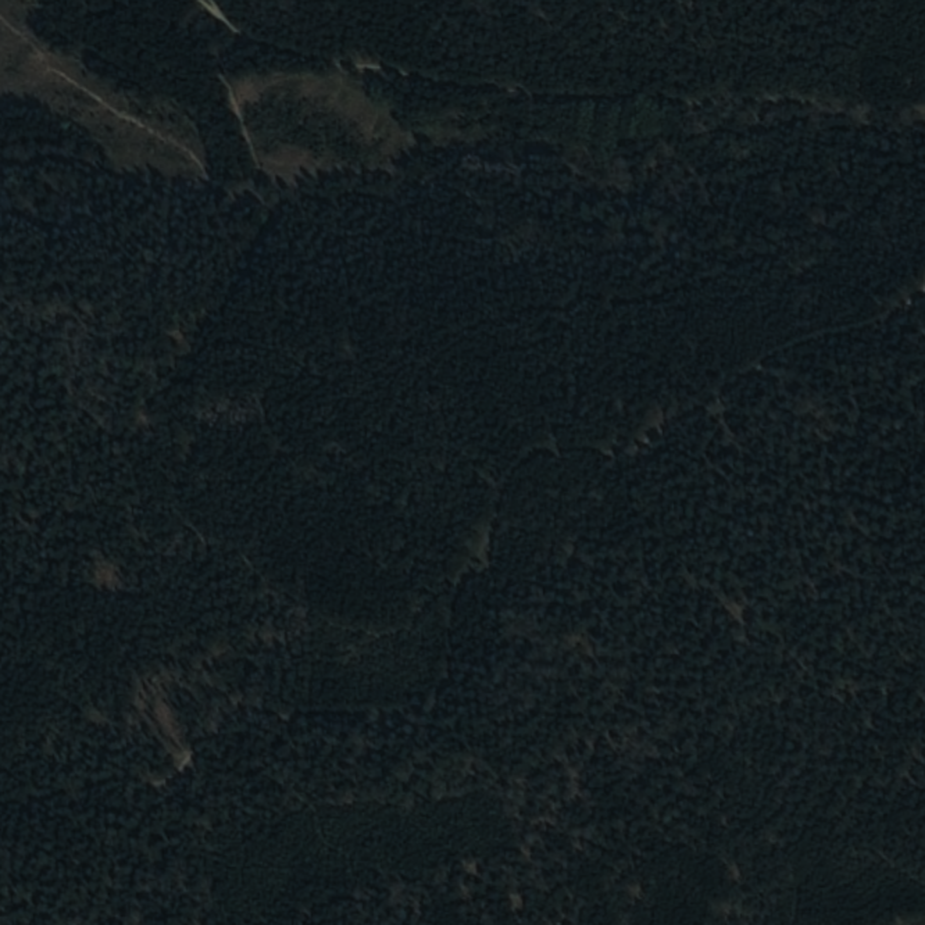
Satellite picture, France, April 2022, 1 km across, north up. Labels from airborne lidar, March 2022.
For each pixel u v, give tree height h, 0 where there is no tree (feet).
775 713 57
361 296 78
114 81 73
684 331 72
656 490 78
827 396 94
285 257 78
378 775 94
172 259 56
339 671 40
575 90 85
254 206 65
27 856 52
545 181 102
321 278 75
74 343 69
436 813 30
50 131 71
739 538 80
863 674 41
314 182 94
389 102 102
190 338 91
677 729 64
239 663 24
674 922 62
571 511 55
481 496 78
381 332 72
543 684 67
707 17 97
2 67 0
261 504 83
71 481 96
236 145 97
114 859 42
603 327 74
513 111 95
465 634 60
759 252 66
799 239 23
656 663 47
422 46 76
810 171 72
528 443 74
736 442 44
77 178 93
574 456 68
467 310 75
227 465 93
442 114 85
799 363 61
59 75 0
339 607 58
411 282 79
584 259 89
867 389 62
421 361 75
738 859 40
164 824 64
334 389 83
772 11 86
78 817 62
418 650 23
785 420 65
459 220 79
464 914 69
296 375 77
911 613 95
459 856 40
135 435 90
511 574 57
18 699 64
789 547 54
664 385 81
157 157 0
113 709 84
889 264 62
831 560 74
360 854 39
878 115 77
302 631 59
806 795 79
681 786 93
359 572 62
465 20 95
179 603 73
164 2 67
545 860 40
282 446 55
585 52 86
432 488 78
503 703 52
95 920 85
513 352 71
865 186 77
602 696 67
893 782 95
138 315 99
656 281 80
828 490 88
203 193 61
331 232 80
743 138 62
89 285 82
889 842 69
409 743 69
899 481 71
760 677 85
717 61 86
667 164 76
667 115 105
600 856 80
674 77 99
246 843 22
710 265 89
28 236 98
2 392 67
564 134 108
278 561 66
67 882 52
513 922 74
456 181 85
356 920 60
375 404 72
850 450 68
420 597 63
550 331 67
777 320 69
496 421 70
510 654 68
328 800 46
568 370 93
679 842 37
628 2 73
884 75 57
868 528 92
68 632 97
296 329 76
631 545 69
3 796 73
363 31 89
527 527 43
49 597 86
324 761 74
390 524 67
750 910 66
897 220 69
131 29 57
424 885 57
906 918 65
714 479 97
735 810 52
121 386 86
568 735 45
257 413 82
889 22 50
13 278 101
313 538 64
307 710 83
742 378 38
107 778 100
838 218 80
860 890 47
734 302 53
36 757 76
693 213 89
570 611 30
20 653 84
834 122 86
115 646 81
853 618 96
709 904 65
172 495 75
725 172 79
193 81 61
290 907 39
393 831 34
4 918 62
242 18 80
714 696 80
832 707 64
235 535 82
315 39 101
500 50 84
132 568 76
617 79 89
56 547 73
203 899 84
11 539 93
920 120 70
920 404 52
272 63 106
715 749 93
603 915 59
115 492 78
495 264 77
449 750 71
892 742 79
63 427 88
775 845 55
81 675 81
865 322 64
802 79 106
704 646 23
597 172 29
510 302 81
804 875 70
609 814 70
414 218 70
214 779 54
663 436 52
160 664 91
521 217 67
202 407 71
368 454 77
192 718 85
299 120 28
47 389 80
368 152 25
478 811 39
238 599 90
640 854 25
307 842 31
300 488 89
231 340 61
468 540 77
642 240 112
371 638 18
